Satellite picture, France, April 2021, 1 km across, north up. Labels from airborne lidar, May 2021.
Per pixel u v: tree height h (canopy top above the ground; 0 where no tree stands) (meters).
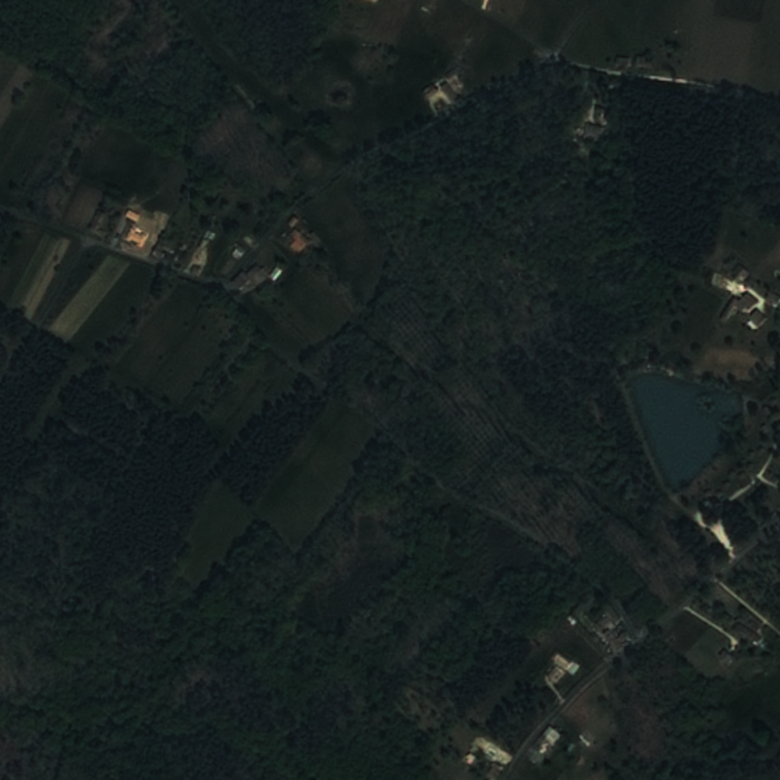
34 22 24
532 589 14
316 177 0
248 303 0
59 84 17
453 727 12
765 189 22
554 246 18
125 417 18
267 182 20
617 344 13
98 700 25
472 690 19
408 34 0
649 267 19
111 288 0
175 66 21
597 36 0
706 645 0
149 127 21
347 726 12
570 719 0
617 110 17
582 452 27
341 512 14
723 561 23
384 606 16
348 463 0
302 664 17
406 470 21
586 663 0
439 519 21
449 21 0
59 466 19
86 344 0
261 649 19
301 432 14
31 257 0
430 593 13
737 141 17
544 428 18
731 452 21
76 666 13
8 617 11
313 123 13
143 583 15
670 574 19
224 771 26
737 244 0
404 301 30
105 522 23
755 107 23
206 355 0
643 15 0
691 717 23
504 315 25
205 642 26
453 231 21
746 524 19
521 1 0
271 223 6
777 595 16
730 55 0
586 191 18
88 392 20
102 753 18
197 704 29
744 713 0
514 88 14
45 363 18
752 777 23
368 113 0
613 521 18
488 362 19
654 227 20
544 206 14
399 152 23
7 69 0
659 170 17
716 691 11
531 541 10
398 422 18
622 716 0
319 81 0
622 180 18
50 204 18
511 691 0
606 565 17
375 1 0
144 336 0
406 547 21
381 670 20
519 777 0
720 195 20
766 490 13
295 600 16
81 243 0
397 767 17
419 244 15
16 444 20
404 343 30
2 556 10
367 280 0
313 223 0
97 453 19
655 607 14
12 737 13
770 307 12
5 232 17
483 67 0
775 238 0
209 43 0
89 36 10
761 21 0
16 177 0
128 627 18
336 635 10
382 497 20
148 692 15
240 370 14
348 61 0
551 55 0
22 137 0
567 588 19
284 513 0
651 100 21
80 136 11
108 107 19
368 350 14
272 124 14
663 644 7
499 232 21
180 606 12
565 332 22
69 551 13
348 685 13
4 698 11
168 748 23
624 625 6
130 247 0
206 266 0
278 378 0
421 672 15
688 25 0
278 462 18
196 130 18
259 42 19
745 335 0
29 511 19
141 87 20
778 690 0
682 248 19
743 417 6
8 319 17
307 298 0
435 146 27
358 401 19
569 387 13
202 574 0
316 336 0
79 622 21
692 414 0
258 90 0
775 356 0
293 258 0
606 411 14
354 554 0
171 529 20
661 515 18
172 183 0
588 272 21
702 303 0
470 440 27
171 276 11
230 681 7
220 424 0
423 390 19
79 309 0
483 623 27
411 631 26
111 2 14
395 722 15
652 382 0
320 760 19
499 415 27
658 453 0
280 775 20
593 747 0
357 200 7
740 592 10
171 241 6
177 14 18
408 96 0
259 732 24
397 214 15
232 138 26
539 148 18
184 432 17
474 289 18
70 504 15
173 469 19
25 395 21
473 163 20
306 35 27
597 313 20
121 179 0
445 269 17
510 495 30
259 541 23
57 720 21
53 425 16
